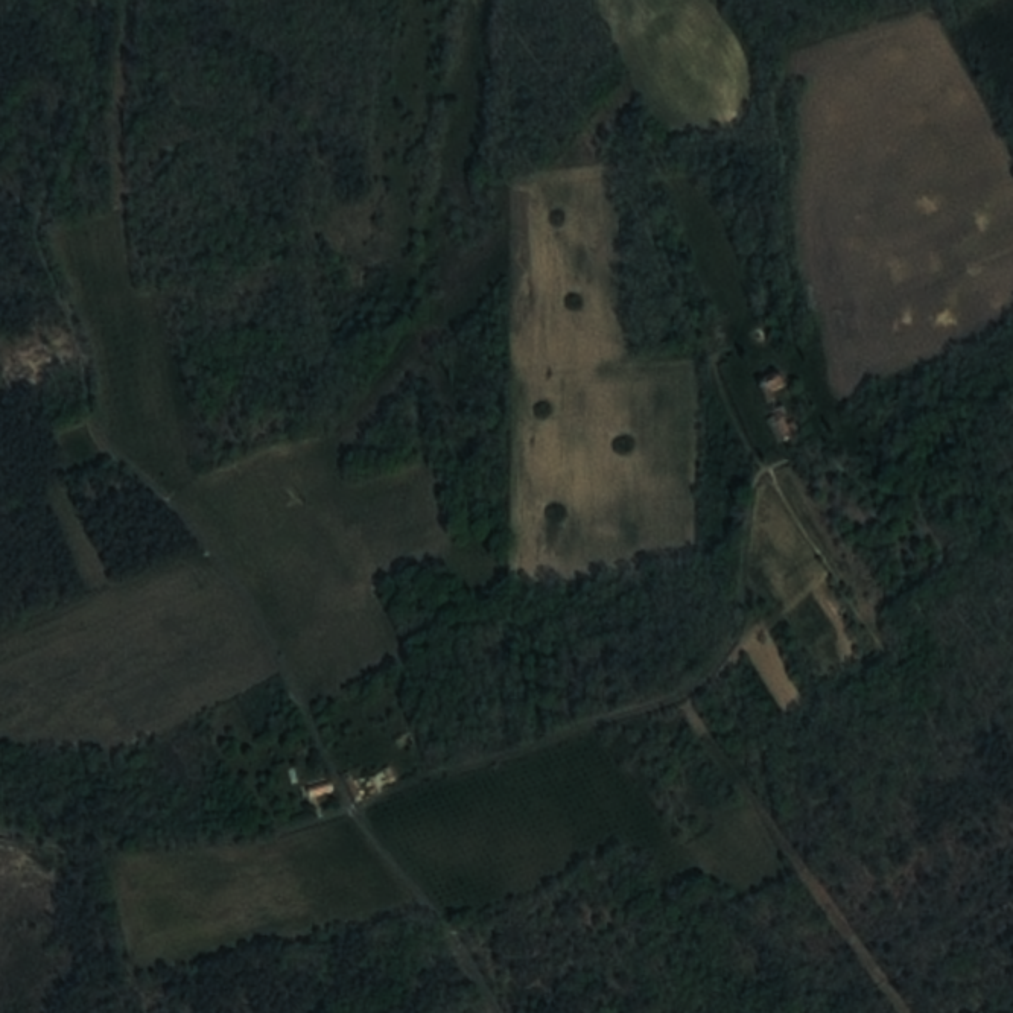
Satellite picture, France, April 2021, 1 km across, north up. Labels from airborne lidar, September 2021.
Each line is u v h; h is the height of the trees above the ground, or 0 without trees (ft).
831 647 0
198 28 62
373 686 62
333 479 0
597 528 0
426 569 30
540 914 27
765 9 75
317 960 78
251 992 73
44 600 53
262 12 43
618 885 55
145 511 0
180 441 0
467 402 49
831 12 77
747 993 57
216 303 62
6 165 61
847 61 0
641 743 29
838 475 23
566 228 0
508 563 53
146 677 0
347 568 0
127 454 0
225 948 0
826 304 0
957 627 66
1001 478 68
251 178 67
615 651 54
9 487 34
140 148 48
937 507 49
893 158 0
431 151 0
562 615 62
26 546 68
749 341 0
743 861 0
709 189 58
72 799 43
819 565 22
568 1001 62
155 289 40
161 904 0
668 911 72
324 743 25
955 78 0
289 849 0
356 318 31
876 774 68
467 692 73
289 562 0
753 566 0
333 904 0
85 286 18
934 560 47
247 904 0
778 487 0
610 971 52
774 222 67
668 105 0
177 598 0
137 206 34
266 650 0
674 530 0
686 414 0
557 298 0
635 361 52
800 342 57
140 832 40
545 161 71
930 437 87
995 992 45
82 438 0
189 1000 62
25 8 59
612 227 0
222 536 0
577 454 0
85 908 55
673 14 0
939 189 0
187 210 54
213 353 84
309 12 52
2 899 0
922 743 61
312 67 50
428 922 69
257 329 64
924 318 0
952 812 64
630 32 0
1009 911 24
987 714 58
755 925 43
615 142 65
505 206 0
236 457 45
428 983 65
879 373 0
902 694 68
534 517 0
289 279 57
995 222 0
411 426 60
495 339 51
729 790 32
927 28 0
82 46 67
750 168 62
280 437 50
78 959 64
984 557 68
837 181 0
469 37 0
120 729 0
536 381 0
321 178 57
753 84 41
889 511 64
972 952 46
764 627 0
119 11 73
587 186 0
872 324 0
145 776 19
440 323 0
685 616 65
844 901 60
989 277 0
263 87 57
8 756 61
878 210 0
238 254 66
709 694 40
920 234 0
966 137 0
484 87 0
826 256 0
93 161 64
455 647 72
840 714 71
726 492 29
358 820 0
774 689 0
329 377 80
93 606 0
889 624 51
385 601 56
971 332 0
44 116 46
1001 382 55
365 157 60
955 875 38
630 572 64
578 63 74
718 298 0
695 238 0
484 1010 45
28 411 60
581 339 0
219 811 25
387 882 0
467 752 71
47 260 50
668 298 62
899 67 0
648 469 0
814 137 0
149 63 47
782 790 60
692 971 57
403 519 0
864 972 25
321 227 31
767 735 52
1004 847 31
